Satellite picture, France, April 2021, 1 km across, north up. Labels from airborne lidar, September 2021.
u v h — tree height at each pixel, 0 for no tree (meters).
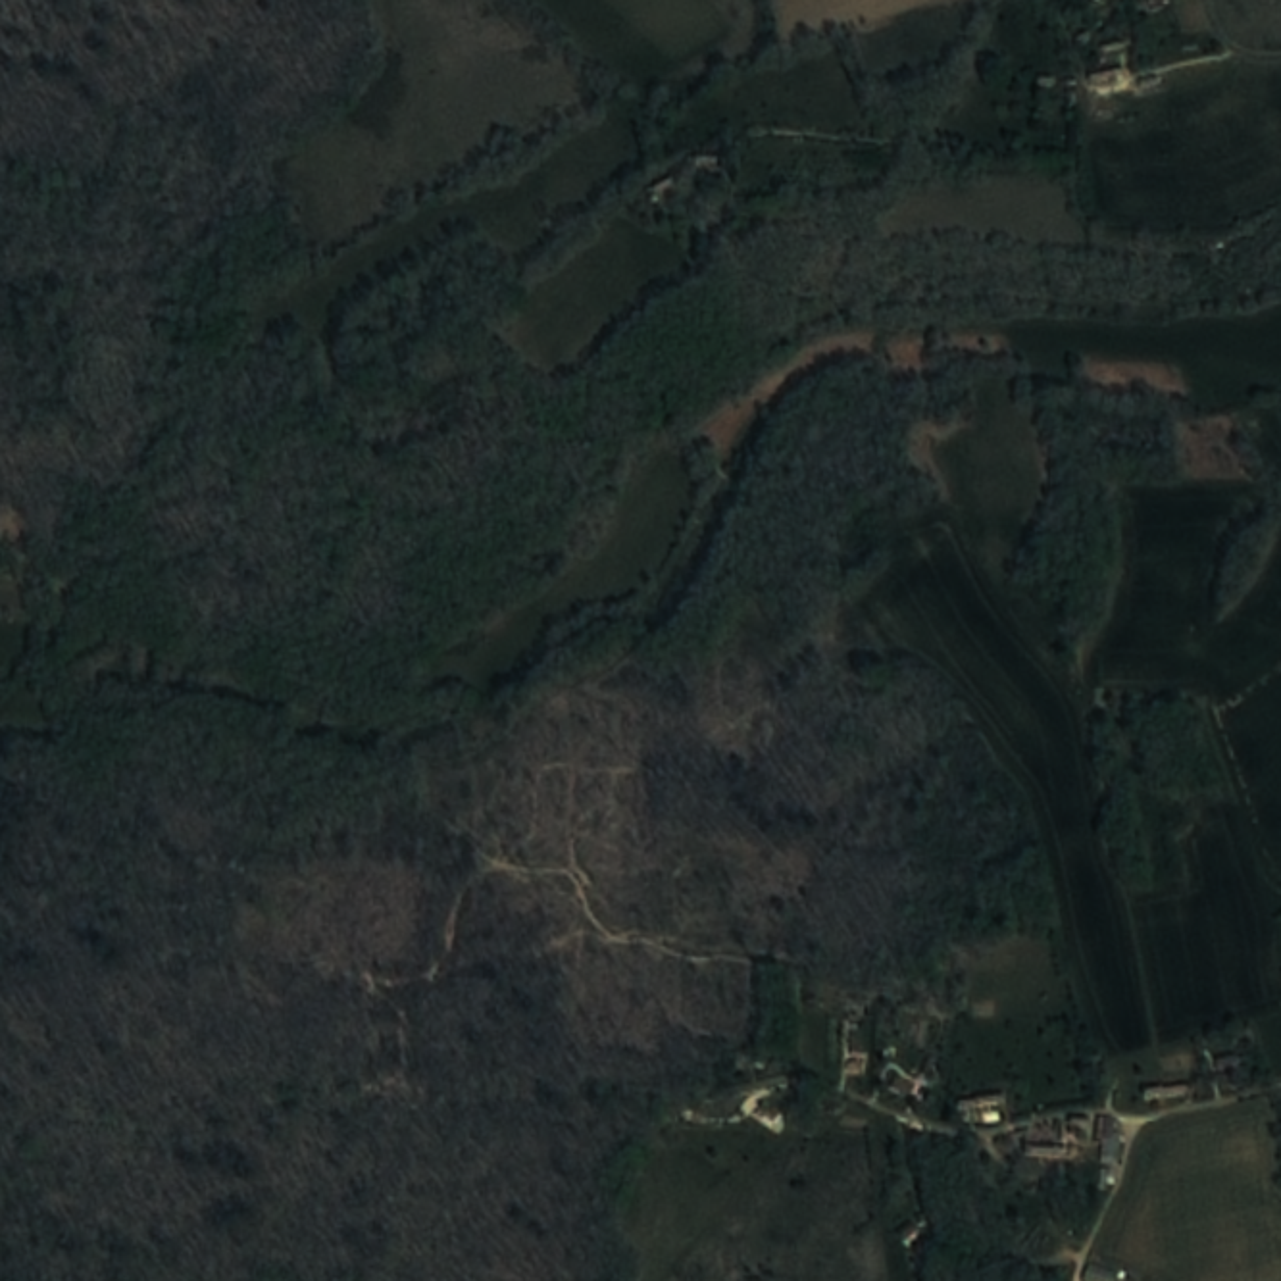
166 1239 24
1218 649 0
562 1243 17
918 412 19
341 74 16
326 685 25
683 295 22
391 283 22
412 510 20
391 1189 18
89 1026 17
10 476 20
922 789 10
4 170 22
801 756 19
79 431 24
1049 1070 0
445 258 17
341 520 21
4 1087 17
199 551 14
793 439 19
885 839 12
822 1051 0
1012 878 20
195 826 15
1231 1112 0
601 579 0
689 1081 18
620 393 24
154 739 21
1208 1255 0
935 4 0
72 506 23
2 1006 19
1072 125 7
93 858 23
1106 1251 0
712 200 24
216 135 16
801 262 17
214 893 15
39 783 21
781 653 20
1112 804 14
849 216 17
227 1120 18
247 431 24
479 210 0
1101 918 0
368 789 24
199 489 22
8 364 23
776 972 17
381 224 6
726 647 25
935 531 0
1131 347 0
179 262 19
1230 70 0
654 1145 16
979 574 0
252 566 26
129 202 15
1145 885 17
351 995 14
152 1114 16
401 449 10
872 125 14
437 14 0
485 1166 21
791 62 22
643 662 25
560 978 21
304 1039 16
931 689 20
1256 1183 0
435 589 25
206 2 14
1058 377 0
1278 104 0
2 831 32
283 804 18
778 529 26
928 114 20
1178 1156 0
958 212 0
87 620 23
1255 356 0
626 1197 17
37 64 15
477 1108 17
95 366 20
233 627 25
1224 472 7
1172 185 0
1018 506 0
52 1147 18
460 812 0
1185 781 24
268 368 20
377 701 25
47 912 19
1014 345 0
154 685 15
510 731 21
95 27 21
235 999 22
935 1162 17
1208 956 0
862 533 8
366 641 26
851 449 19
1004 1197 14
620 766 24
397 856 8
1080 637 23
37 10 15
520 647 0
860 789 10
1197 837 0
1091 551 21
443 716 21
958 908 10
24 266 22
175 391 23
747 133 6
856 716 21
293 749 26
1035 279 15
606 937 0
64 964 16
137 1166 19
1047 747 0
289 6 12
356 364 28
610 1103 17
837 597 17
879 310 14
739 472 6
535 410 24
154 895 19
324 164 0
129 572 24
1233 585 16
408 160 0
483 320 22
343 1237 17
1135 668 0
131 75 19
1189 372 0
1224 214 0
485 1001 20
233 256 24
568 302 0
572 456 19
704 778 19
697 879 0
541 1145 22
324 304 0
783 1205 0
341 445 25
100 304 20
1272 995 0
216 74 17
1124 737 16
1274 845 0
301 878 25
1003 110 10
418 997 11
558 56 18
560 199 0
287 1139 21
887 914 22
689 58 0
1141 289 21
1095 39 7
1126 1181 0
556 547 21
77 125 21
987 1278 25
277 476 22
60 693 21
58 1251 20
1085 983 0
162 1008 16
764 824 20
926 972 20
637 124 12
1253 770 0
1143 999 0
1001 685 0
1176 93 0
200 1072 17
